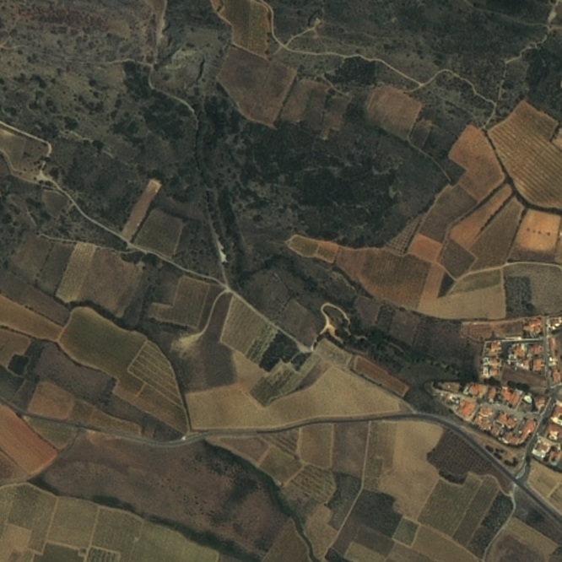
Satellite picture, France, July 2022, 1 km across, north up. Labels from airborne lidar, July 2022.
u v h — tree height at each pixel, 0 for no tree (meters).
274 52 0
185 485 0
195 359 0
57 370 0
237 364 0
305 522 0
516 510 0
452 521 0
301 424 0
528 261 0
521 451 0
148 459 0
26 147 0
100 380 0
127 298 0
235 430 0
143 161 0
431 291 0
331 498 0
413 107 0
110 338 0
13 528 0
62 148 0
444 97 0
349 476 0
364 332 6
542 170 0
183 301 0
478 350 0
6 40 0
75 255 0
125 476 0
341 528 0
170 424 0
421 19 0
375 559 0
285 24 0
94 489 0
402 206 0
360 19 0
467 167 0
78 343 0
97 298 0
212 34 0
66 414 0
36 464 0
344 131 0
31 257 0
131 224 0
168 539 0
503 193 0
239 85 0
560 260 0
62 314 0
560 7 0
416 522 0
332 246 0
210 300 0
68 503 0
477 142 0
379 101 0
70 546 0
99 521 0
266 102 0
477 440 0
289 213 0
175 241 0
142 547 0
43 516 0
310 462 0
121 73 0
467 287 0
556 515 0
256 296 0
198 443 0
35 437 0
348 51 0
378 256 0
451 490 0
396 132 0
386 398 0
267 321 0
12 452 0
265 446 0
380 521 0
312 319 0
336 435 0
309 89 0
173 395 0
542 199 0
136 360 0
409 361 12
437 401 0
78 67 0
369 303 0
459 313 0
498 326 0
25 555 0
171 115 0
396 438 0
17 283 0
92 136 0
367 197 6
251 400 0
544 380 0
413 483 0
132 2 0
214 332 0
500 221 0
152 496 0
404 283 0
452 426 0
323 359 0
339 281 0
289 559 0
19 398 0
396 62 0
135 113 0
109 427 0
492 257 0
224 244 9
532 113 0
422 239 0
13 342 0
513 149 0
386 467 0
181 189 0
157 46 0
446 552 0
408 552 0
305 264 0
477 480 0
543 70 7
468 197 0
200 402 0
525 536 0
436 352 0
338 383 0
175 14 0
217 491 0
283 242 0
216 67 0
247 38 0
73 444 0
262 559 0
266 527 0
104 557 0
